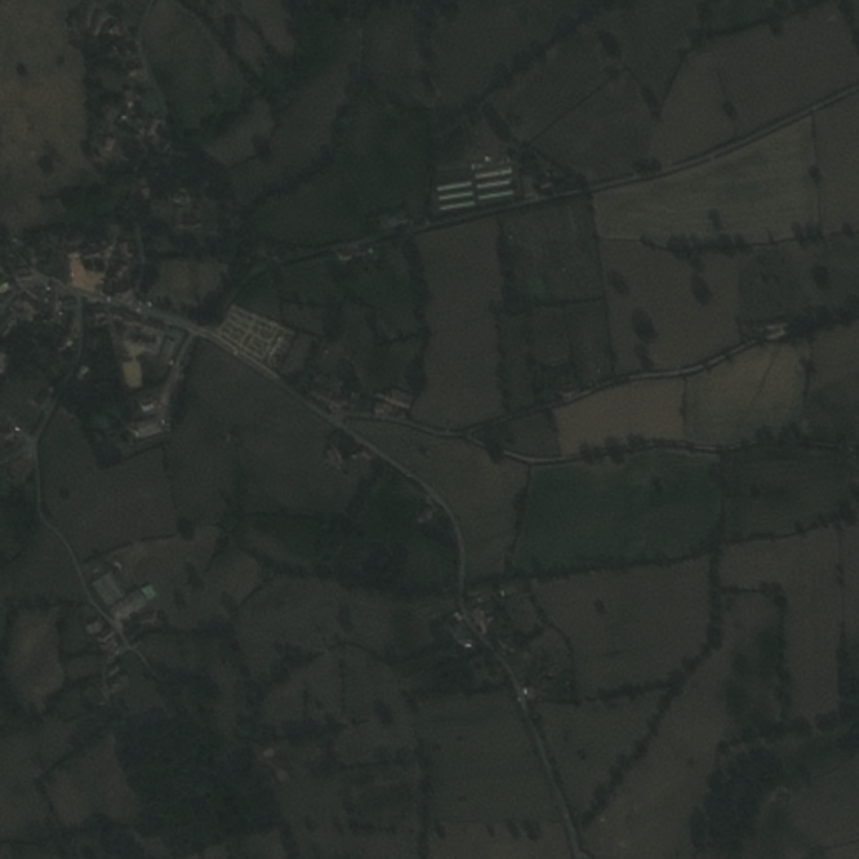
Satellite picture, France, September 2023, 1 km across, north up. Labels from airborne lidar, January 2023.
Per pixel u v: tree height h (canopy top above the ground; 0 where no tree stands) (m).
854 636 0
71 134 0
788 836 0
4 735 11
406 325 0
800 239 18
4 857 0
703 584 0
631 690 10
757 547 0
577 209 0
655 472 0
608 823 0
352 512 10
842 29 0
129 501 0
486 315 0
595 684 0
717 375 0
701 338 0
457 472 0
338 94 0
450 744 0
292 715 0
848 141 0
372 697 0
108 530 0
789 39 0
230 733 0
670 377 0
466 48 0
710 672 0
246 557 0
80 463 0
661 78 0
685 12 0
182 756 14
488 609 0
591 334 0
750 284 0
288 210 0
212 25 13
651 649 0
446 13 17
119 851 19
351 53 0
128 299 0
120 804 0
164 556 0
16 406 0
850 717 18
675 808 0
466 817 0
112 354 11
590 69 0
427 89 15
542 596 0
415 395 10
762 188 0
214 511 0
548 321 0
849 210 0
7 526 0
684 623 0
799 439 11
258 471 0
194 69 0
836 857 0
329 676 0
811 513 0
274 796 10
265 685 13
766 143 0
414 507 0
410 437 0
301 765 0
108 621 0
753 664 0
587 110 0
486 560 0
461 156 0
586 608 0
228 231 18
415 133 0
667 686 6
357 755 0
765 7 0
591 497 0
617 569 12
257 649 0
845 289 0
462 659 8
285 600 0
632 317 0
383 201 0
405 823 0
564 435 0
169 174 12
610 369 0
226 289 7
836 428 0
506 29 0
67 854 12
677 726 0
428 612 0
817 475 0
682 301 0
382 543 0
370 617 0
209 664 0
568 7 0
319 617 0
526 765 0
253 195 0
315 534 0
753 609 0
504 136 12
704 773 0
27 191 0
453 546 15
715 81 0
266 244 9
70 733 0
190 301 0
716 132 0
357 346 0
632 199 0
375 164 0
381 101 0
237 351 0
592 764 0
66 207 8
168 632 8
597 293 0
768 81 0
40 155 0
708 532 0
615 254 0
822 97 0
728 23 0
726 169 0
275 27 0
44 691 0
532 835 16
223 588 0
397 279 0
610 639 0
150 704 0
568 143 0
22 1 0
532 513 0
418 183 0
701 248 18
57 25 0
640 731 0
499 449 24
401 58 0
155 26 0
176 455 0
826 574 0
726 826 19
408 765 12
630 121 0
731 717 0
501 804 0
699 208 0
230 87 0
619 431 0
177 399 13
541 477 0
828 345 0
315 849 0
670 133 0
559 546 0
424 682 0
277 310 0
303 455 0
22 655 0
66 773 0
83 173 0
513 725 0
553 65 0
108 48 11
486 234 0
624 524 0
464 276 0
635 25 0
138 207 16
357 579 16
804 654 0
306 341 0
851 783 0
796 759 0
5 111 0
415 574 0
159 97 0
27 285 0
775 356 0
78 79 0
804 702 0
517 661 0
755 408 0
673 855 0
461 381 0
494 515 0
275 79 0
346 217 0
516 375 0
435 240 0
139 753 18
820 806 0
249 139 0
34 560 0
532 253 0
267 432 0
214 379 0
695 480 0
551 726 0
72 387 6
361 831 7
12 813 0
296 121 0
